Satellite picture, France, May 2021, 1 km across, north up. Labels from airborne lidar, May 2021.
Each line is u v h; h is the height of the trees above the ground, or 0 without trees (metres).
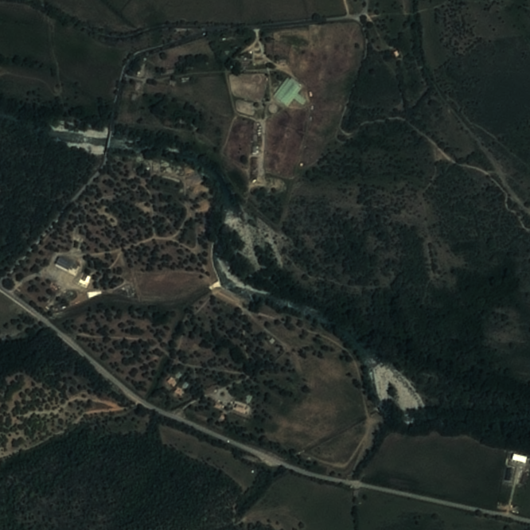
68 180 9
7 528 7
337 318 28
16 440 11
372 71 13
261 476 9
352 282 8
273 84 0
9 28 0
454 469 0
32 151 8
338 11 0
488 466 0
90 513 6
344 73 0
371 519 0
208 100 0
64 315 0
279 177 0
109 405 0
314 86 0
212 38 8
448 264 0
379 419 0
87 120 11
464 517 0
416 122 7
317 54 0
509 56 0
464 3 5
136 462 8
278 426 0
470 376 17
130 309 11
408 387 0
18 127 20
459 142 0
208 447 0
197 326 12
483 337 12
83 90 0
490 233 6
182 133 0
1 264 13
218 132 10
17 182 8
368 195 9
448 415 26
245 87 0
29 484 11
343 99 0
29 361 8
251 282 18
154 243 7
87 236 7
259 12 0
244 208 0
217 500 8
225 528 9
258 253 12
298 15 0
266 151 0
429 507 0
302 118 0
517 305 9
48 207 10
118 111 6
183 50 0
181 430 8
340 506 0
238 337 12
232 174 0
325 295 10
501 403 7
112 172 11
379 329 17
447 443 0
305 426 0
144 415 9
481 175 0
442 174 6
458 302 8
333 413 0
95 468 8
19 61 15
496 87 0
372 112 8
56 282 0
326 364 0
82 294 0
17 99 13
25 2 7
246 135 0
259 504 0
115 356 0
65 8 0
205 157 18
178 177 0
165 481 8
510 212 7
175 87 0
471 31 6
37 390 10
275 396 0
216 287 0
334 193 0
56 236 10
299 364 0
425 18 0
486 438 14
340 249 10
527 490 0
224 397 0
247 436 13
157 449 9
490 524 0
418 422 18
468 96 0
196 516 7
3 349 17
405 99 8
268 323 14
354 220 8
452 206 8
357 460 0
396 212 8
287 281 13
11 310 0
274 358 12
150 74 0
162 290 0
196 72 0
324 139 0
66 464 7
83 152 11
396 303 19
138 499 9
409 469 0
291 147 0
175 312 9
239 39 0
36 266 11
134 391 0
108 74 0
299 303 19
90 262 12
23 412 10
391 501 0
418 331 13
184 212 11
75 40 0
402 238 6
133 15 0
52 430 6
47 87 0
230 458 0
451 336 13
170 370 13
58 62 0
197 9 0
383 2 0
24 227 7
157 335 10
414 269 6
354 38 0
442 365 25
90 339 9
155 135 9
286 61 0
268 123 0
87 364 10
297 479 0
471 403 9
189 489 8
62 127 0
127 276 0
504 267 7
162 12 0
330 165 7
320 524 0
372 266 12
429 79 9
